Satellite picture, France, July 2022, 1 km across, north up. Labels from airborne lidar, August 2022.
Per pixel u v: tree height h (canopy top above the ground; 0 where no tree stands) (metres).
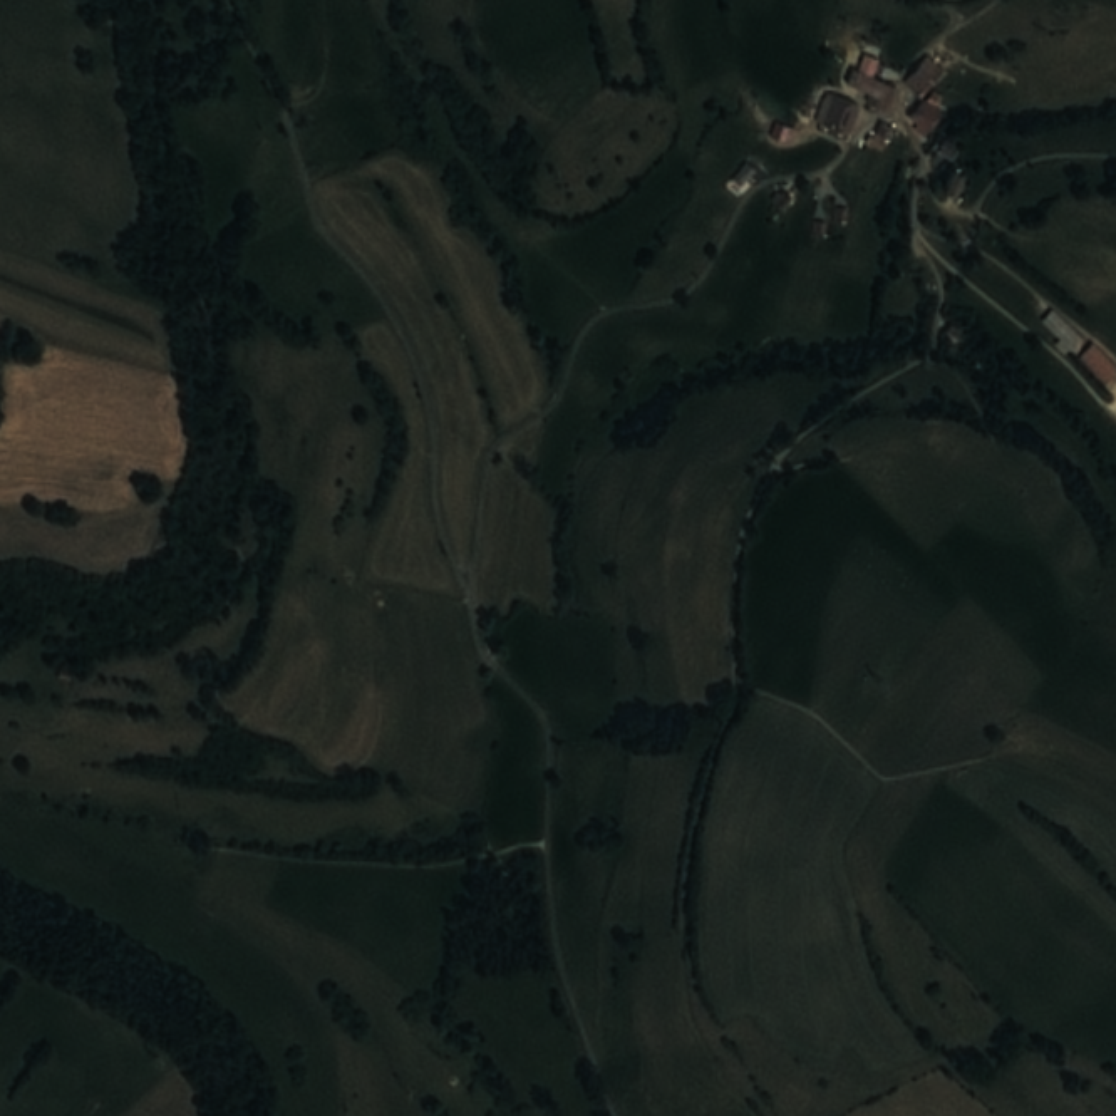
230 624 0
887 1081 0
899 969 0
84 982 12
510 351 0
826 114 0
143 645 10
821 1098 0
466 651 0
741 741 0
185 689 0
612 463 0
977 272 0
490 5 0
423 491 0
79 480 0
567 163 0
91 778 0
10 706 0
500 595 0
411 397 0
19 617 12
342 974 0
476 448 0
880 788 0
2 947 15
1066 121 14
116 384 0
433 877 0
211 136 0
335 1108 0
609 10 0
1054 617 0
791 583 0
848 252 0
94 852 0
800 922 0
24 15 0
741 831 0
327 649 0
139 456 0
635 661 0
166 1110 0
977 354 8
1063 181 0
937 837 0
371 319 0
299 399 0
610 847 22
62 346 0
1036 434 26
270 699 0
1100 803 0
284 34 0
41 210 0
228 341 23
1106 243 0
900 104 0
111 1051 0
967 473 0
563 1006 13
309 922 0
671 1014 0
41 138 0
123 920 0
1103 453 14
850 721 0
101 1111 0
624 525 0
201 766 10
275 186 0
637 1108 0
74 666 16
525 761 0
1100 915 0
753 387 0
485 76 14
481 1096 0
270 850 7
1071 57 0
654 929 0
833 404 18
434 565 0
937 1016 0
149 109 28
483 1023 0
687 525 0
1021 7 0
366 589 0
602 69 14
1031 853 0
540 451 0
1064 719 0
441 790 0
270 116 0
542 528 0
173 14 0
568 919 0
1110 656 0
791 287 0
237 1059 20
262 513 16
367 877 0
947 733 0
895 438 0
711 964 0
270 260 0
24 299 0
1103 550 9
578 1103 0
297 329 23
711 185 0
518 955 23
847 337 0
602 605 0
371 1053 0
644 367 0
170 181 23
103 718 0
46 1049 11
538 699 0
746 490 0
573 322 0
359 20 0
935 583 0
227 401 11
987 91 5
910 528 0
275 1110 22
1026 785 0
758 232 0
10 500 0
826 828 0
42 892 7
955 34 0
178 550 11
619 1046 0
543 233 0
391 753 0
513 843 0
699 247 0
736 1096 0
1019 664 0
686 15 0
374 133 0
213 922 0
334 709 0
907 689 0
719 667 0
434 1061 0
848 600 0
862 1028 0
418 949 0
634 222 0
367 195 0
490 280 0
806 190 13
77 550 0
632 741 28
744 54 0
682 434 0
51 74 0
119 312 0
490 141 16
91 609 9
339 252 0
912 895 0
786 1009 0
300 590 0
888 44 0
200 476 18
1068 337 0
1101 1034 0
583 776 0
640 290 0
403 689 0
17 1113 0
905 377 0
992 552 0
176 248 25
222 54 23
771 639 0
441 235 0
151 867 0
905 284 0
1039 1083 0
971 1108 0
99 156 0
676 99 7
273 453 0
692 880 10
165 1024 18
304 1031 0
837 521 0
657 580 0
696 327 0
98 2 12
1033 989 0
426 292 0
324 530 0
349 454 6
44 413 0
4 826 0
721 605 0
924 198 0
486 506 0
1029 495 0
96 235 0
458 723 0
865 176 0
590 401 0
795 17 0
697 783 7
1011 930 0
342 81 0
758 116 0
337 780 8
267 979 0
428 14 0
